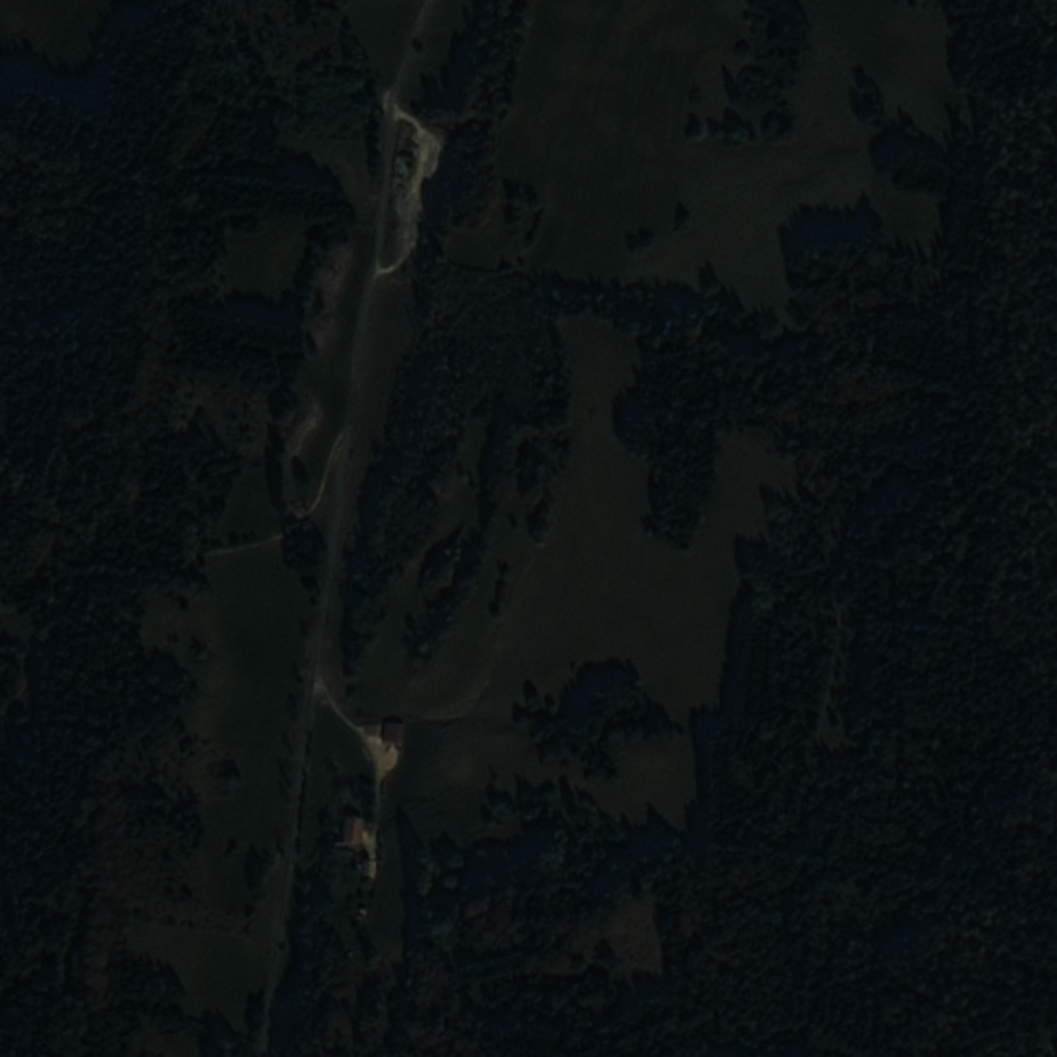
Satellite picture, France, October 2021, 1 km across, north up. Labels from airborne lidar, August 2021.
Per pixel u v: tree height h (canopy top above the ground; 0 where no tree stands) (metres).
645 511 0
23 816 12
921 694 30
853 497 13
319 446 0
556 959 24
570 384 9
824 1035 30
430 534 18
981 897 27
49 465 8
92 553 8
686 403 9
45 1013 19
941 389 30
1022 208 20
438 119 18
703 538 0
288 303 0
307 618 0
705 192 0
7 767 23
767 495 0
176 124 12
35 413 12
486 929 17
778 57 7
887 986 28
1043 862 23
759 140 9
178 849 20
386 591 18
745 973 25
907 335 18
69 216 17
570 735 6
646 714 7
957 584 22
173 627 0
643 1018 8
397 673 0
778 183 0
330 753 0
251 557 0
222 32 10
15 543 13
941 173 16
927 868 18
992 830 25
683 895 19
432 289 9
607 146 0
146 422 11
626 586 0
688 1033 17
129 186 10
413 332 0
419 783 0
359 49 11
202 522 8
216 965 0
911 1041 24
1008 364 19
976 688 32
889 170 14
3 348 17
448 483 26
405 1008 12
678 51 0
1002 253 14
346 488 0
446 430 17
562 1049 16
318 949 14
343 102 14
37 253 26
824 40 0
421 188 0
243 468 10
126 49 17
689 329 32
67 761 17
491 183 22
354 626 19
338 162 0
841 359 22
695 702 0
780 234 0
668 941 20
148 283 17
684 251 0
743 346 18
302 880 7
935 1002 25
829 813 13
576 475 0
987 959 24
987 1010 13
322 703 0
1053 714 14
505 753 0
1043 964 26
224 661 0
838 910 19
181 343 16
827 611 13
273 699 0
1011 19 31
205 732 0
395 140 0
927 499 10
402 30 0
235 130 17
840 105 0
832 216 0
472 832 0
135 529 12
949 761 19
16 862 23
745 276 0
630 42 0
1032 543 22
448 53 0
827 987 17
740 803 19
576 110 0
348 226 16
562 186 0
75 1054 22
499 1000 6
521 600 0
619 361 0
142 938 0
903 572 19
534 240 7
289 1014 9
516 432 24
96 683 12
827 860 25
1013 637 24
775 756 9
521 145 0
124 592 19
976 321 22
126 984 18
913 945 27
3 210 22
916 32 0
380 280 0
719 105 0
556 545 0
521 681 0
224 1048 28
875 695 24
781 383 11
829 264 17
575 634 0
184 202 23
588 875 13
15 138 26
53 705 21
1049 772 17
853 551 14
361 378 0
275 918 0
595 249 0
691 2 0
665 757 0
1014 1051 24
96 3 0
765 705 22
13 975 10
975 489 18
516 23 21
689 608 0
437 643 15
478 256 0
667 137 0
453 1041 17
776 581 23
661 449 18
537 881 17
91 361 17
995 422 25
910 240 0
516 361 6
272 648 0
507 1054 22
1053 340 19
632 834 8
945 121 0
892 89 0
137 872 26
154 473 19
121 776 7
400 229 0
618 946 0
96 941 23
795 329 18
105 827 26
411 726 0
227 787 11
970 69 25
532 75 0
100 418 17
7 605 10
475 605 0
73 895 11
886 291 9
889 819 21
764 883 17
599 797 0
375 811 14
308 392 0
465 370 14
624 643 0
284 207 29
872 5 0
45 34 0
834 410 11
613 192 0
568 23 0
